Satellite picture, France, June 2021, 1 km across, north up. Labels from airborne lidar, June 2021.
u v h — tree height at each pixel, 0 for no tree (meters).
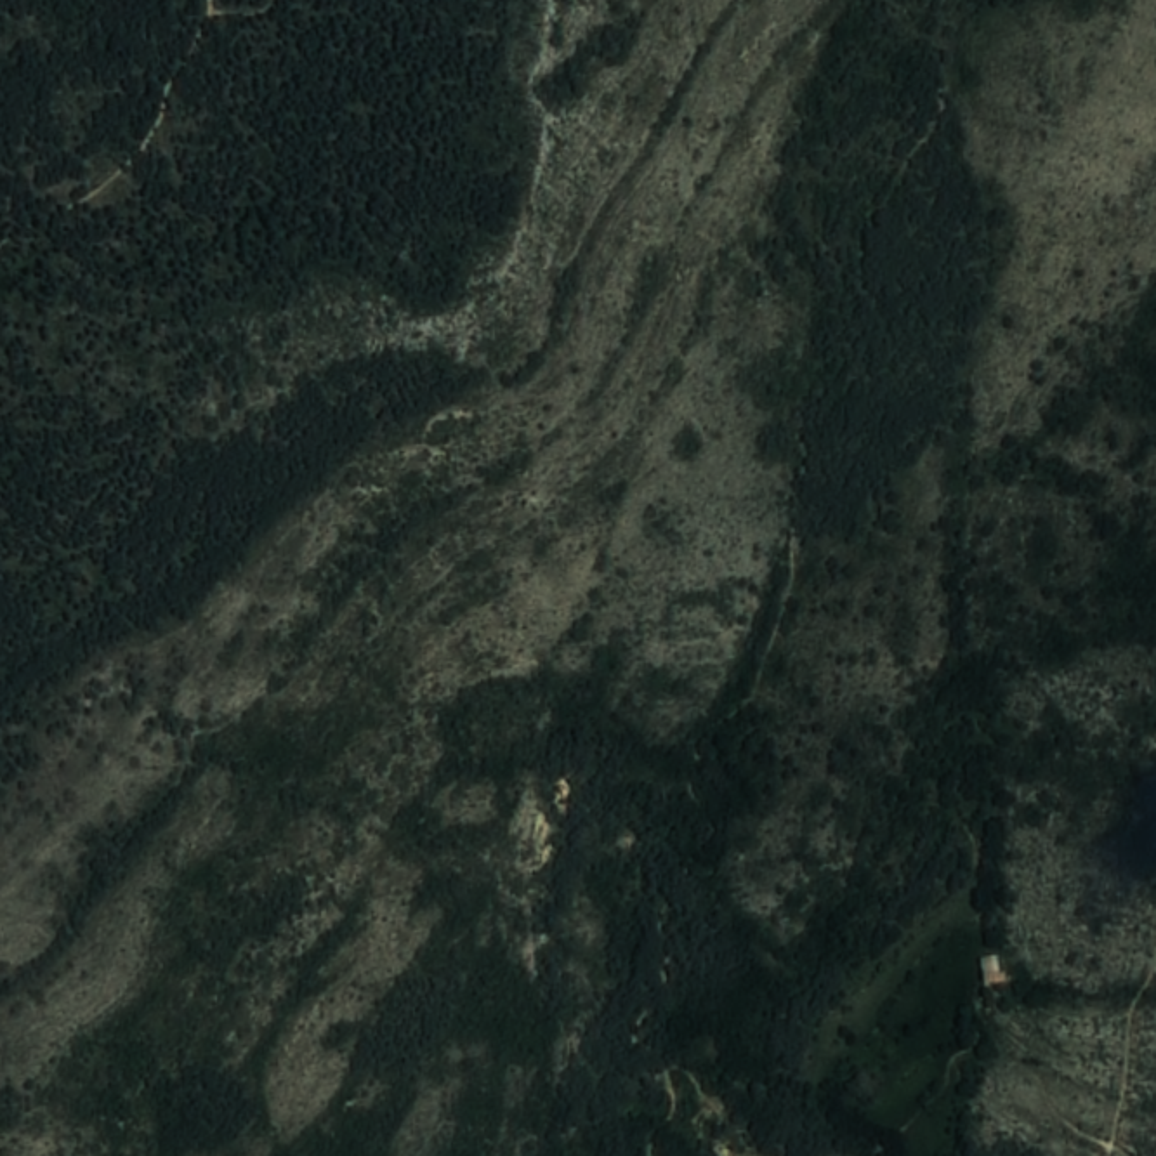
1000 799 11
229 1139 7
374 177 13
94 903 10
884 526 8
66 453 12
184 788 10
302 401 11
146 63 9
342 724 9
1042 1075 0
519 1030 7
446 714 7
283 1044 0
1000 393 0
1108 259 0
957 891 12
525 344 0
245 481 11
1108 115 0
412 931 0
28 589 15
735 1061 12
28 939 0
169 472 7
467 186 9
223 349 7
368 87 12
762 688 0
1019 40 0
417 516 7
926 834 7
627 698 9
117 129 11
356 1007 0
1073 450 0
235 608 0
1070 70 0
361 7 11
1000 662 8
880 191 7
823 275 11
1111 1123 0
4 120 11
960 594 12
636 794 12
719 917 16
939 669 5
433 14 10
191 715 0
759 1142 14
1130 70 0
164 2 12
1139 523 6
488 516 0
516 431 0
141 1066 6
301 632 7
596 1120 10
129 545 13
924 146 6
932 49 7
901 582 7
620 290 0
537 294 0
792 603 9
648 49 0
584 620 8
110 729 0
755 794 7
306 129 12
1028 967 0
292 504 11
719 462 0
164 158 8
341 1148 5
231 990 5
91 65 11
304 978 7
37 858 0
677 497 0
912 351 7
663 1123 8
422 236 8
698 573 0
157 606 14
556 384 0
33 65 12
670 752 11
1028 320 0
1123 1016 0
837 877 6
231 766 9
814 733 9
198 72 8
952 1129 9
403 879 0
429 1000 9
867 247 16
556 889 9
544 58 0
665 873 11
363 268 11
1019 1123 0
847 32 14
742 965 9
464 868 7
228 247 14
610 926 11
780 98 0
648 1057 14
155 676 0
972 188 7
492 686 7
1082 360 9
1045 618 8
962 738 11
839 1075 7
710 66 0
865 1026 0
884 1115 0
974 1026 14
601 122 0
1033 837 0
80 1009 0
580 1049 9
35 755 6
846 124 9
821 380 12
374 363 9
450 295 11
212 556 13
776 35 0
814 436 13
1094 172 0
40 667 14
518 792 7
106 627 12
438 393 8
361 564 12
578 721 7
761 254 10
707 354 0
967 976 0
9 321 11
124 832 9
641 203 0
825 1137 13
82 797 0
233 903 10
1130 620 7
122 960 0
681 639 0
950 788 15
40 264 16
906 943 6
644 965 15
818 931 12
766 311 0
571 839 10
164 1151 7
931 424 7
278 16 14
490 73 11
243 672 0
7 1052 0
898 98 8
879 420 9
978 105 0
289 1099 0
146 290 10
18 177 9
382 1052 7
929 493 0
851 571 13
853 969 6
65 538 14
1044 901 0
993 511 0
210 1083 13
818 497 9
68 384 0
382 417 14
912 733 8
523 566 0
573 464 0
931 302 13
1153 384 6
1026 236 0
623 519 0
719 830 10
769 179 0
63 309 0
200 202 14
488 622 0
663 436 0
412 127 14
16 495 13
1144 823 6
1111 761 6
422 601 8
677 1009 8
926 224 6
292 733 8
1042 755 7
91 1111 8
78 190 8
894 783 15
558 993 10
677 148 0
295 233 13
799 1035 15
